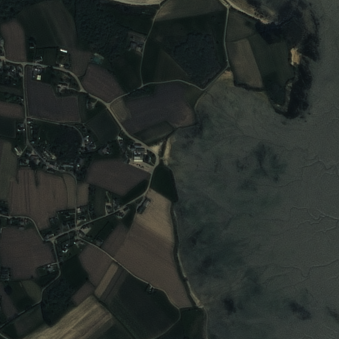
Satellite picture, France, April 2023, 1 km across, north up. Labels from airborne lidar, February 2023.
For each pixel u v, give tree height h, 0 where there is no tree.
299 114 0
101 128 0
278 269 0
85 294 0
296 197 0
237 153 0
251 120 0
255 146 0
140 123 0
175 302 0
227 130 0
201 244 0
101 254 0
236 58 0
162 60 0
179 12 0
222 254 0
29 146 0
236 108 0
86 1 8
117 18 0
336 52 0
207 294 0
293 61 0
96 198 0
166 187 0
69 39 0
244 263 0
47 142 0
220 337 0
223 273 0
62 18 0
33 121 0
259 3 0
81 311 0
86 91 0
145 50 0
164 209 0
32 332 0
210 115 0
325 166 0
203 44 9
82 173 7
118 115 0
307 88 0
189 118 0
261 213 0
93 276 0
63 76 0
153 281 0
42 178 0
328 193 0
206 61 7
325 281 0
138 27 0
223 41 0
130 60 0
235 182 0
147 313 0
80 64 0
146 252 0
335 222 0
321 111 0
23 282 0
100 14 8
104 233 0
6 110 0
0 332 10
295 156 0
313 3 0
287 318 0
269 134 0
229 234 0
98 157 0
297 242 0
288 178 0
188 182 0
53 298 11
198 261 0
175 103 0
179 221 0
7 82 12
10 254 0
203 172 0
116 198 0
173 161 0
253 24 0
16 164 0
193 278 0
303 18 0
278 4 0
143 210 0
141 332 0
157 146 0
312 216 0
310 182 0
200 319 0
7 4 6
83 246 0
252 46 0
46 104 0
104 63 0
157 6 0
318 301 0
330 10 0
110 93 0
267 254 0
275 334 0
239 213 0
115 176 0
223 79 0
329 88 0
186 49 7
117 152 0
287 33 0
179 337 0
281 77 0
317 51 0
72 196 0
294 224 0
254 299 0
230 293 0
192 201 0
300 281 0
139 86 0
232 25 0
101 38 7
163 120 0
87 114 0
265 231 0
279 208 0
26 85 0
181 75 0
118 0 0
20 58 0
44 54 0
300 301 0
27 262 0
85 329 0
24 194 0
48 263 0
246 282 0
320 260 0
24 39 0
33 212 0
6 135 0
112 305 0
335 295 0
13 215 0
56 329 0
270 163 0
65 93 7
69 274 0
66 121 0
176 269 0
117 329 0
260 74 0
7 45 0
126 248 0
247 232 0
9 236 0
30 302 0
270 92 0
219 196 0
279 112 0
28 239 0
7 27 0
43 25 0
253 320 0
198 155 0
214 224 0
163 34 0
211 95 0
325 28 0
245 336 0
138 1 0
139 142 0
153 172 0
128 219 0
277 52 0
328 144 0
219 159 0
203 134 0
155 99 0
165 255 0
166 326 0
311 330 0
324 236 0
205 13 0
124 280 0
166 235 0
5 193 0
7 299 0
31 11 0
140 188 0
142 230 0
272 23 0
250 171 0
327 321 0
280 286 0
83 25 10
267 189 0
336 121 0
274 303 0
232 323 0
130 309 0
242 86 6
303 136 0
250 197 0
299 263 0
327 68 0
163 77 0
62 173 0
